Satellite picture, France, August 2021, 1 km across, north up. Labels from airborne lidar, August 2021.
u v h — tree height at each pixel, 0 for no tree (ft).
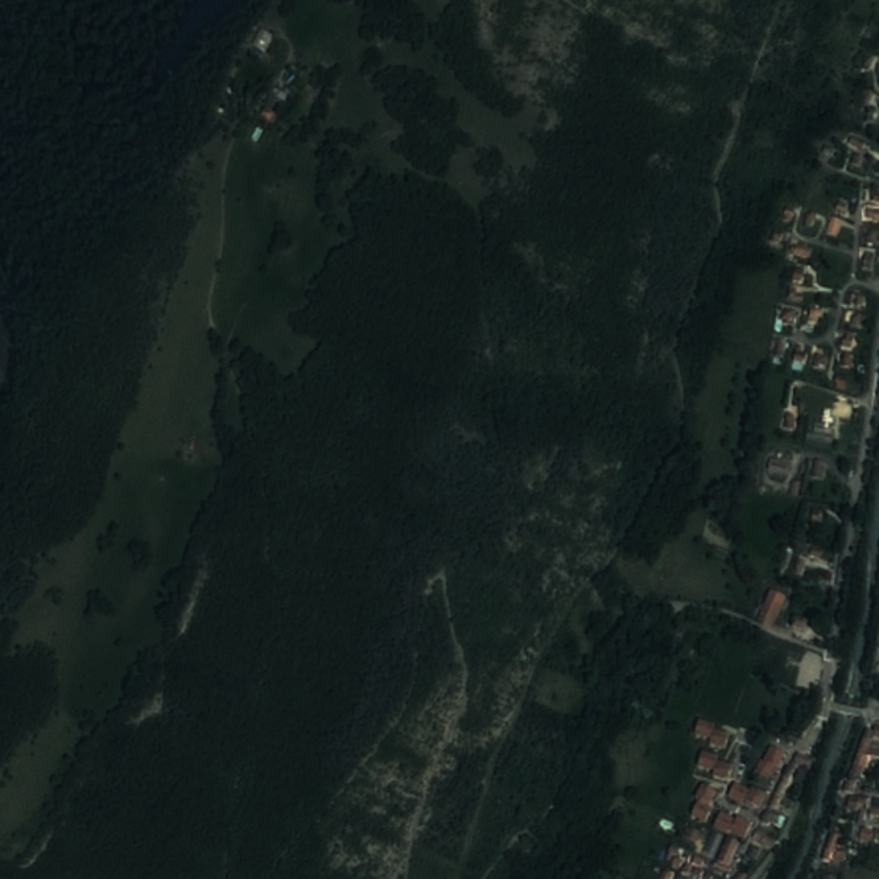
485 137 0
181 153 30
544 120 39
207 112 37
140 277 18
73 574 0
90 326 43
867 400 0
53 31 93
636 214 46
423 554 26
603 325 26
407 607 51
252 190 0
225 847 29
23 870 35
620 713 42
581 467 28
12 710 54
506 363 22
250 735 38
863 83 31
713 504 88
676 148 31
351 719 50
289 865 39
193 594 31
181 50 48
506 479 44
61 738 0
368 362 66
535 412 82
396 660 38
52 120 87
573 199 54
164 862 48
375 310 53
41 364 23
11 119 67
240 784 30
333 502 56
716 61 30
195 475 0
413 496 45
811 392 0
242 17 43
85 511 41
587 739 41
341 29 0
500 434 55
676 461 76
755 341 0
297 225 0
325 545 40
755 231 49
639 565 0
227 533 37
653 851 19
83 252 51
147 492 0
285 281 0
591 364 31
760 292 0
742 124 18
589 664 48
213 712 57
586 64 29
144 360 24
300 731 34
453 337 28
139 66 80
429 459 36
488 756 27
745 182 25
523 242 26
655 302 51
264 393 63
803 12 21
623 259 33
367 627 40
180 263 23
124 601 0
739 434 0
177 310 0
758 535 0
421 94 52
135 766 62
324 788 31
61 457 53
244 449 57
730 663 0
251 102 23
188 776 47
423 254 47
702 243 20
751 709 0
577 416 50
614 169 56
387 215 56
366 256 30
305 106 0
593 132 57
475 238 50
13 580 42
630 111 45
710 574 0
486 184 22
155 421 0
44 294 53
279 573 37
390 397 51
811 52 39
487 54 28
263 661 43
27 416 36
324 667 37
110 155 64
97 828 55
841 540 41
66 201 65
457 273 55
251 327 0
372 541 39
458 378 46
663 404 21
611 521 42
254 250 0
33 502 55
